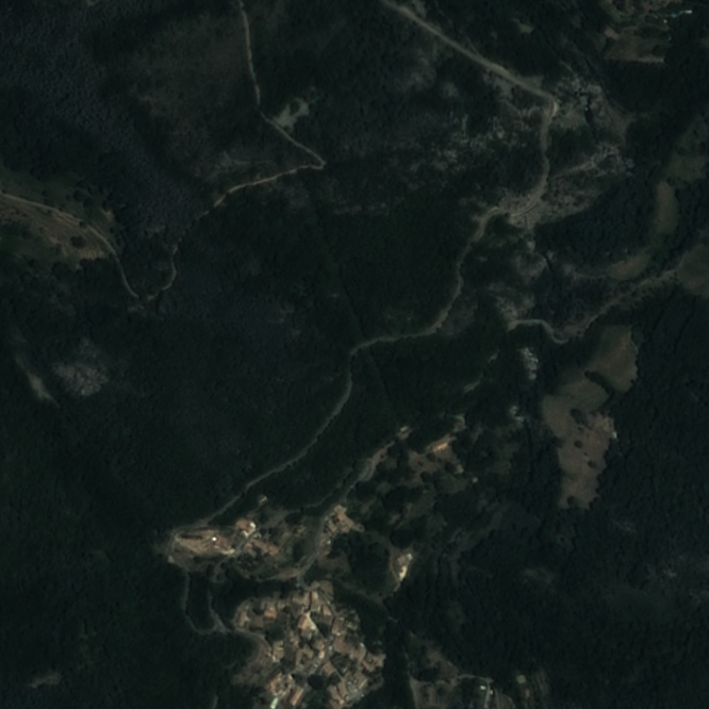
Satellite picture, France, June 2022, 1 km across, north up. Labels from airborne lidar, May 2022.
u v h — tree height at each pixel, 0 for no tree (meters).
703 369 23
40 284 12
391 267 15
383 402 12
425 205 19
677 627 7
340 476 10
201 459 16
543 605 14
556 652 8
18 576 14
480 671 13
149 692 20
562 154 10
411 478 8
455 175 14
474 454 13
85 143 20
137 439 16
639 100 14
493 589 11
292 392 13
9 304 16
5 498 17
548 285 8
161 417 12
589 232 34
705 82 24
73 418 14
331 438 16
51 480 15
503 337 8
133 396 9
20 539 14
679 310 11
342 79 8
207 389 19
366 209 8
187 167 10
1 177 0
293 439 14
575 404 0
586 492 0
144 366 14
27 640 19
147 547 11
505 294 7
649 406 17
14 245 0
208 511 14
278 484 16
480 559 14
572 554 9
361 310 16
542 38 16
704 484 7
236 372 17
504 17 13
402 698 9
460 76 7
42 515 12
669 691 19
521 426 6
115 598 21
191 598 10
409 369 18
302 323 15
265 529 10
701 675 15
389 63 14
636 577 8
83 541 13
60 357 11
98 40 14
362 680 0
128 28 15
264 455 13
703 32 12
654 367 19
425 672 12
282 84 7
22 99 20
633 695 8
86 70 17
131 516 22
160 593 17
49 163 13
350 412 14
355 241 12
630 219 27
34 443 12
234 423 15
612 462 19
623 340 0
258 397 15
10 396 13
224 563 10
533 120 9
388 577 8
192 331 15
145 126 14
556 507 14
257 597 19
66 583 22
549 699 7
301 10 7
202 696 13
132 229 19
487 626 11
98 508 15
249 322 11
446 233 20
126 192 20
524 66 13
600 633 12
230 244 12
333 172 12
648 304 8
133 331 17
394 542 16
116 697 8
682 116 21
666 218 0
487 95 6
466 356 15
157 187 16
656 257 12
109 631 20
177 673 17
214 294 14
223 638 12
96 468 23
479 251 8
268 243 11
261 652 0
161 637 17
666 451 6
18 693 17
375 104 8
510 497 9
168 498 17
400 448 9
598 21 11
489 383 10
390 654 14
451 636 13
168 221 15
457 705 8
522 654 15
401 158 8
